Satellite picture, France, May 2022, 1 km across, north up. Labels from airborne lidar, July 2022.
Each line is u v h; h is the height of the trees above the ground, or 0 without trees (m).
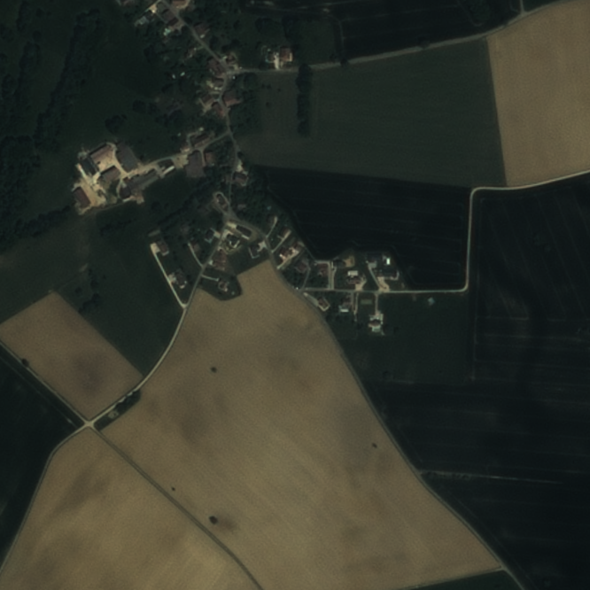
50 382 0
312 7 0
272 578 0
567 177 0
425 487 0
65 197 0
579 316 0
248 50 0
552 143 0
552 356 0
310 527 0
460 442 0
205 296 0
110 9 0
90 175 0
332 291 7
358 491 0
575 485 0
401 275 0
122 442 0
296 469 0
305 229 0
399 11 0
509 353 0
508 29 0
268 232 0
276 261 0
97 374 0
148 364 0
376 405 0
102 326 0
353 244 0
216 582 0
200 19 9
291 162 0
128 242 0
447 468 0
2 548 0
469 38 0
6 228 19
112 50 0
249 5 0
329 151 0
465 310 0
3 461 0
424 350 0
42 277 0
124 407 10
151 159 0
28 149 22
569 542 0
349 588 0
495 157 0
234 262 0
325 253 0
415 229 0
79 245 0
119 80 0
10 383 0
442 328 0
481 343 0
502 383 0
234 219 0
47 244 0
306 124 16
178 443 0
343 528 0
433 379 0
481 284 0
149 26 7
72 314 0
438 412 0
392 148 0
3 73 19
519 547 0
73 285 0
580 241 0
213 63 0
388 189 0
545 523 0
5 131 23
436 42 0
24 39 0
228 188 9
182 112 17
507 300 0
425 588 0
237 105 9
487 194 0
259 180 8
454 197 0
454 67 0
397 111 0
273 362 0
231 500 0
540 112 0
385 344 0
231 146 11
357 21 0
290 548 0
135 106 10
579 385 0
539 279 0
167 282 0
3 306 0
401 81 0
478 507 0
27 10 19
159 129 0
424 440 0
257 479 0
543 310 0
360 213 0
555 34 0
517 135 0
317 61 0
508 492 0
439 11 0
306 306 0
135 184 0
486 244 0
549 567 0
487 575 0
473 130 0
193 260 0
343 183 0
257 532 0
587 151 0
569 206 0
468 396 0
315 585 0
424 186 0
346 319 6
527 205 0
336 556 0
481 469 0
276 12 0
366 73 0
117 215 0
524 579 0
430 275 0
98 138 0
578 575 0
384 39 0
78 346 0
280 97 0
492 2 0
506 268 0
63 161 0
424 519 0
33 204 0
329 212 0
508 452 0
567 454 0
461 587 0
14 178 18
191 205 14
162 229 9
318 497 0
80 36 22
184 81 16
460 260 0
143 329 0
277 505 0
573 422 0
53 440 0
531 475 0
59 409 0
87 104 0
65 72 12
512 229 0
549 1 0
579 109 0
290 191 0
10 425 0
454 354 0
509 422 0
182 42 13
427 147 0
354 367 0
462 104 0
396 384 0
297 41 17
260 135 0
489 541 0
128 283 0
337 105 0
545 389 0
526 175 0
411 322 0
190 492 0
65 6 0
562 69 0
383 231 0
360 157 0
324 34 0
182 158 0
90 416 0
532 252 0
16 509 0
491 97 0
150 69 0
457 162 0
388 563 0
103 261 0
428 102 0
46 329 0
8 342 0
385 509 0
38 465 0
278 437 0
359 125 0
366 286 0
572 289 0
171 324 0
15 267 0
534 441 0
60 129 24
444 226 0
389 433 0
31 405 0
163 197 0
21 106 21
